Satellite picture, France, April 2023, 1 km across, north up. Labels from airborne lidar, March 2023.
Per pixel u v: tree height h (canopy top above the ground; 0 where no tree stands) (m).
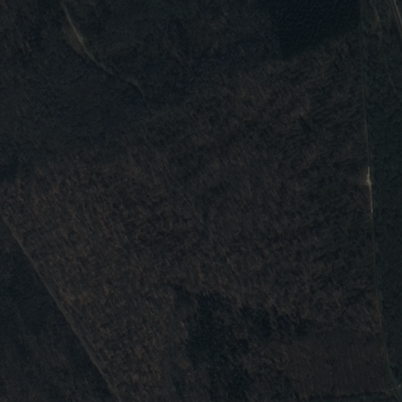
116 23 21
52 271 21
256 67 20
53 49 26
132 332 24
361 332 23
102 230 24
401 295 23
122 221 24
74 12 21
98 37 17
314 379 11
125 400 22
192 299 30
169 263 23
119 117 25
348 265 22
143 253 21
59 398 20
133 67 20
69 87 27
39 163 23
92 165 15
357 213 8
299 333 22
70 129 15
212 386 22
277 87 25
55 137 22
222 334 23
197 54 21
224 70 26
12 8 24
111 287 23
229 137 25
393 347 22
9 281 24
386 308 21
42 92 21
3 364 23
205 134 23
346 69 24
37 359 22
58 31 24
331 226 26
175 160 23
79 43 0
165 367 22
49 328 22
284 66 24
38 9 24
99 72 24
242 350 15
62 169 8
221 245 20
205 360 21
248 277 13
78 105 24
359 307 26
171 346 24
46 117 20
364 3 25
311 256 26
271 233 22
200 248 13
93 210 24
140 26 20
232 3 24
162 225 23
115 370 23
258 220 24
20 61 26
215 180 26
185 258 24
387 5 19
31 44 23
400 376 23
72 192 26
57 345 23
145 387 23
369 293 12
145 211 21
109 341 23
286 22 27
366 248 24
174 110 25
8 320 20
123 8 23
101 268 23
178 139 22
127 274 24
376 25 23
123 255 23
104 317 26
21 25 22
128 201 8
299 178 23
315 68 25
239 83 24
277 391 18
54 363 18
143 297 25
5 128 23
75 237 20
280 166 25
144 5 21
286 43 32
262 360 26
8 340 23
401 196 25
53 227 25
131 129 18
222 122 20
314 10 36
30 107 23
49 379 24
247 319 20
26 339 24
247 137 24
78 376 21
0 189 17
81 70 23
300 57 27
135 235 22
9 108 26
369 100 0
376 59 23
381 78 17
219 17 22
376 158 22
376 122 24
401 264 28
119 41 23
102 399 19
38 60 25
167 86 23
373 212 0
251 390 27
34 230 7
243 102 21
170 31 20
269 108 24
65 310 0
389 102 18
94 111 24
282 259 23
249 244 25
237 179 24
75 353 20
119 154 14
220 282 25
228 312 24
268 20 28
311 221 23
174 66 21
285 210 25
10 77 23
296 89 28
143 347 24
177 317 22
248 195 26
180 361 25
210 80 26
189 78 29
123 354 24
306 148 27
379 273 0
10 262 20
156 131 20
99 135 22
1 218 22
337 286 23
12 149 21
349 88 24
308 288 25
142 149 24
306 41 33
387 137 24
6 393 22
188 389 24
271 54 24
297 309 23
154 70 22
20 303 23
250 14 22
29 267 24
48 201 26
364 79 0
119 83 22
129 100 22
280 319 32
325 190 20
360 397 10
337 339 6
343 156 27
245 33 24
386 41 24
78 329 18
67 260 24
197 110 20
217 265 25
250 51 25
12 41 20
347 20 30
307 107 26
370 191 24
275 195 26
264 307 21
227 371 24
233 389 29
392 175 23
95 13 28
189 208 26
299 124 27
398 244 28
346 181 11
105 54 23
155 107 25
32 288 22
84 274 21
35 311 23
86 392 14
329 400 22
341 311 25
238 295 22
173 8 20
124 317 27
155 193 7
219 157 22
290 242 23
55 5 26
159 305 24
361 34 0
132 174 0
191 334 23
